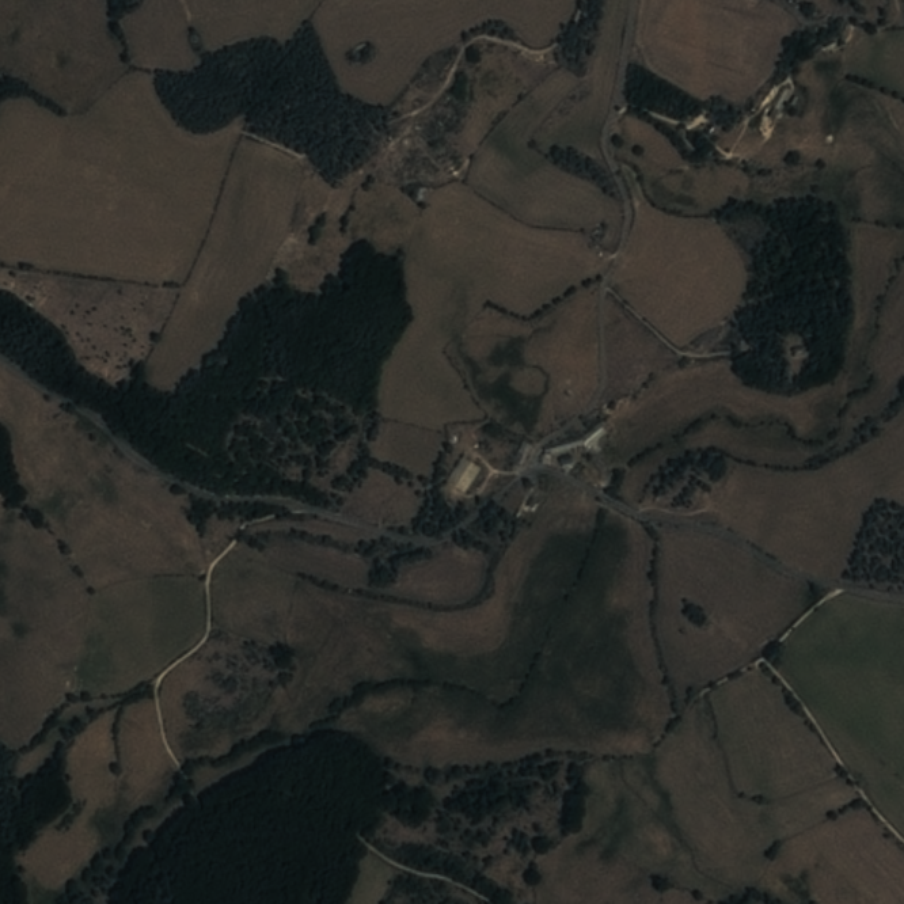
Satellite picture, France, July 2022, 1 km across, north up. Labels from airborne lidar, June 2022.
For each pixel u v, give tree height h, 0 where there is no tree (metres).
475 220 0
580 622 0
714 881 0
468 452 0
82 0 0
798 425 0
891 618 0
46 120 0
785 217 19
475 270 0
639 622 0
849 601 0
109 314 0
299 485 9
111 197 0
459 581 0
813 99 0
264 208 0
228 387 16
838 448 0
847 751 0
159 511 0
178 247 0
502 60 0
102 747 0
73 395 21
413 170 0
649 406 0
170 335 0
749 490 0
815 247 17
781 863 0
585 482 0
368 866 0
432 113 0
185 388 13
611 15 0
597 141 0
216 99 12
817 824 0
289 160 0
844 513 0
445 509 12
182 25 0
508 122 0
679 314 0
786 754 0
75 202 0
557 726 0
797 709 15
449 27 0
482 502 14
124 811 0
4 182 0
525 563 0
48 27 0
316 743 23
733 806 0
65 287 0
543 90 0
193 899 12
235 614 0
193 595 0
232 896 15
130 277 0
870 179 0
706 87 0
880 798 0
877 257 0
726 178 0
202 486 10
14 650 0
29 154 0
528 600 0
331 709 7
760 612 0
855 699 0
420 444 0
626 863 0
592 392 0
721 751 0
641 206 0
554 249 0
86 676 0
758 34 0
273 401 16
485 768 6
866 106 0
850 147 0
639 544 0
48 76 0
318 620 0
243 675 0
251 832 16
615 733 0
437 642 0
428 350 0
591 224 0
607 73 0
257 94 19
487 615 0
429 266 0
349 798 23
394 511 0
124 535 0
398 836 0
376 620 0
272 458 8
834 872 0
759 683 0
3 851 19
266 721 0
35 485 0
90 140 0
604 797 0
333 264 0
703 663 0
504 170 0
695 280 0
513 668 0
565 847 0
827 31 13
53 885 0
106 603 0
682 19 0
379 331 20
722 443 0
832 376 12
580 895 0
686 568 0
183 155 0
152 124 0
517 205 0
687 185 0
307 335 19
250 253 0
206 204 0
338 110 21
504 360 0
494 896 12
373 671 0
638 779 0
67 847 0
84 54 0
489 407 0
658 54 0
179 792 13
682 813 0
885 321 0
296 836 16
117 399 19
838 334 19
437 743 0
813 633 0
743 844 0
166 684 0
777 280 9
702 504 0
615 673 0
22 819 18
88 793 0
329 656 0
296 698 0
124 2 12
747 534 0
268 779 17
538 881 15
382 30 0
